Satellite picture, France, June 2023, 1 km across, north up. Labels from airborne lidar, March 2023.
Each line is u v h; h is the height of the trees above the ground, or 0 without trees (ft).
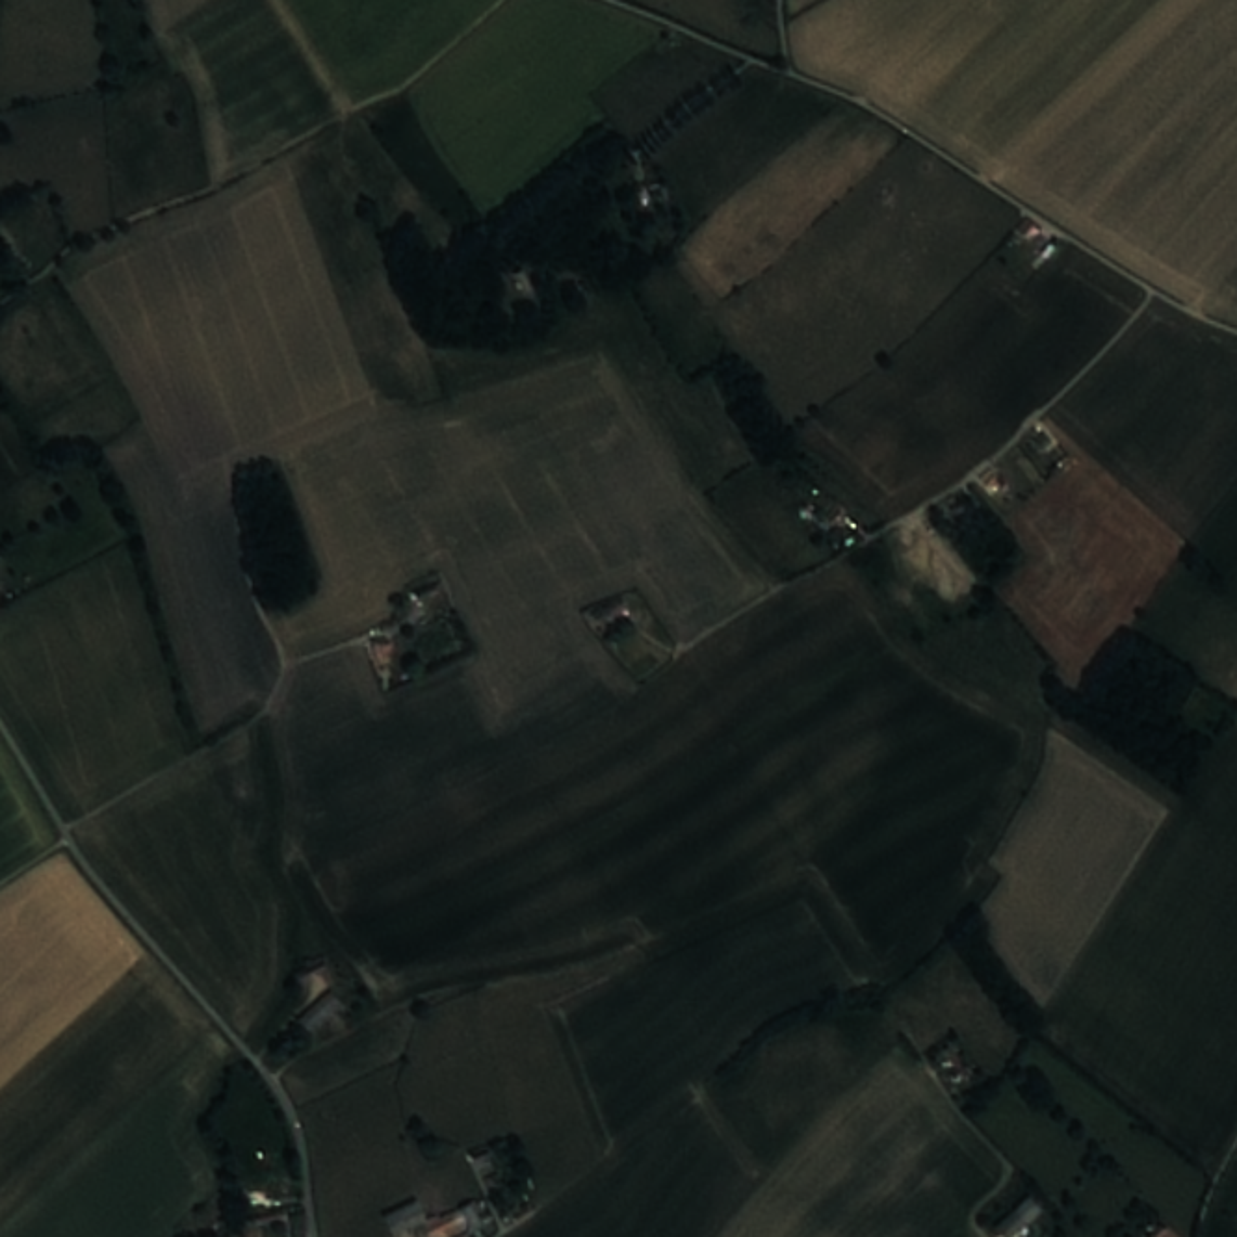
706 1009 0
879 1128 0
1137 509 0
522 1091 0
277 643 0
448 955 0
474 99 0
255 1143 0
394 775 0
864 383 0
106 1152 0
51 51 0
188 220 0
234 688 0
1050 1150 0
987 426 0
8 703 0
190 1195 0
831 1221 0
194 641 0
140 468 0
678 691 0
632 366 0
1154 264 0
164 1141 0
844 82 0
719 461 0
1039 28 0
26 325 0
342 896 0
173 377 0
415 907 0
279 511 64
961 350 0
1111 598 0
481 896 0
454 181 0
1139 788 0
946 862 0
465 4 0
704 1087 0
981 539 24
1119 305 0
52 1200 0
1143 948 0
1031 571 0
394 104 0
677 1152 0
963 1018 0
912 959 0
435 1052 0
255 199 0
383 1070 0
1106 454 0
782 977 0
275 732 0
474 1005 0
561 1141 0
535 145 0
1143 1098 0
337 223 0
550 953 0
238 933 0
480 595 0
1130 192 0
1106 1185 0
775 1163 0
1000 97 0
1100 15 0
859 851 0
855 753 0
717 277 0
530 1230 0
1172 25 0
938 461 0
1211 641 0
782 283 0
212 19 0
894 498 0
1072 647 0
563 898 0
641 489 0
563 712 0
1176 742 24
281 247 0
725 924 0
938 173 0
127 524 63
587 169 47
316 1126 0
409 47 0
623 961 0
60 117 0
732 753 0
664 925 0
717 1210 0
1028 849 0
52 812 0
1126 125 0
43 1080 0
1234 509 0
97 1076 0
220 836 0
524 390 0
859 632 0
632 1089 0
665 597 0
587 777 0
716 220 0
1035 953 0
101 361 0
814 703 0
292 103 0
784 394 0
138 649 0
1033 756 0
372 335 0
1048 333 0
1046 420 0
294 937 0
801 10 0
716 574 0
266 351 0
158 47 0
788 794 0
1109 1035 0
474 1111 0
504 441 0
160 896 0
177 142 0
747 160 0
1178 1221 0
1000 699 0
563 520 0
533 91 0
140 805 0
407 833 0
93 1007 0
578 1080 0
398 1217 0
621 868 0
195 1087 0
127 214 0
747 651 0
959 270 0
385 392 0
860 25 0
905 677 0
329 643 0
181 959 0
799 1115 0
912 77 0
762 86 0
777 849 0
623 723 0
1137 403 0
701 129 0
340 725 0
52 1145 0
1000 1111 0
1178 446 0
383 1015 0
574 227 65
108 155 0
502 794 0
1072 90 0
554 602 0
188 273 0
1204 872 0
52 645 0
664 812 0
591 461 0
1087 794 0
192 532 0
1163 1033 0
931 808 0
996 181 0
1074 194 0
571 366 0
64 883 0
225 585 0
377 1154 0
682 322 0
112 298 0
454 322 57
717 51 0
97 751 0
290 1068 0
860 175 0
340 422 0
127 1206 0
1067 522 0
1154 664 68
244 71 0
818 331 0
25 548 0
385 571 0
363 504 0
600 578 0
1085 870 0
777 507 0
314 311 0
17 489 0
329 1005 0
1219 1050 0
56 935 0
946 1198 0
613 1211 0
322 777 0
